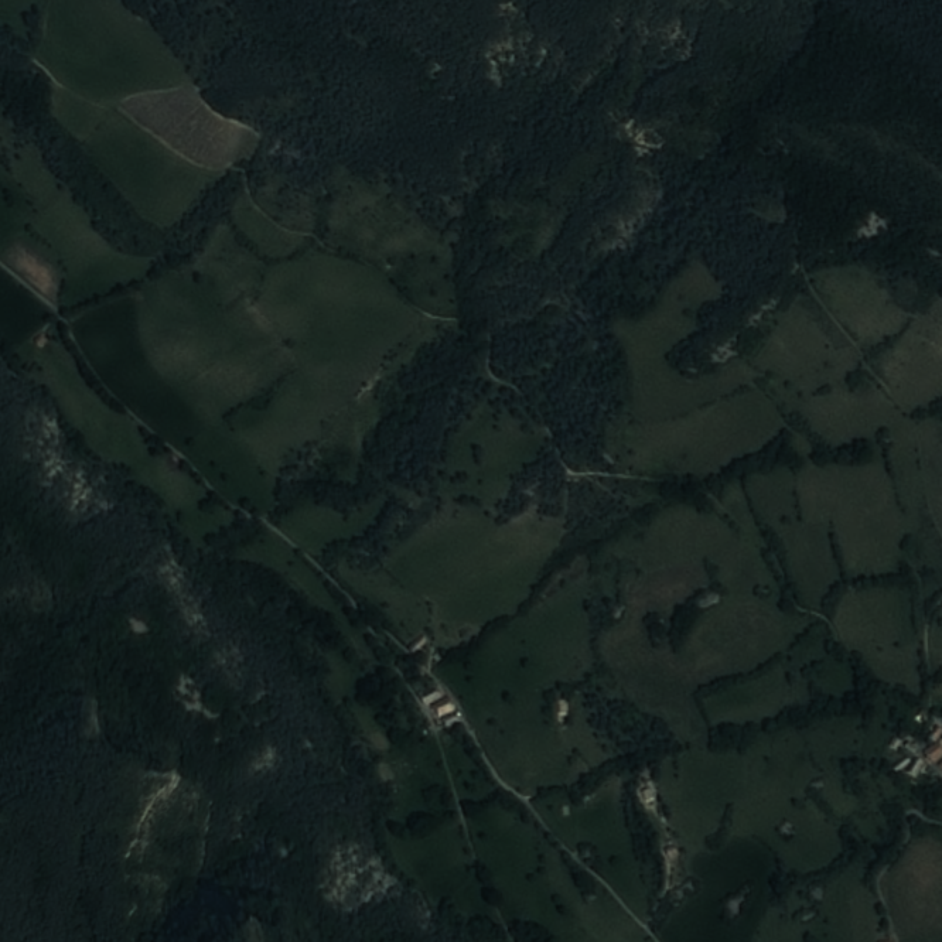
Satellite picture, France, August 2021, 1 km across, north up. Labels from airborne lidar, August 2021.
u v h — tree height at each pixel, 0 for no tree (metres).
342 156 8
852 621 0
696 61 13
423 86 13
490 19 11
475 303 15
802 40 13
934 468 0
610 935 0
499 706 0
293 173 7
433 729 0
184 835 10
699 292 0
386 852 10
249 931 10
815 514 0
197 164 0
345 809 17
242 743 15
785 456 11
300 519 0
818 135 6
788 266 10
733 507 0
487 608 0
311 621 15
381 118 7
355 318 0
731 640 0
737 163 16
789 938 0
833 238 14
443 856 0
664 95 12
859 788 10
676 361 6
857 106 12
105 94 0
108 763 14
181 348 0
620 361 11
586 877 13
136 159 0
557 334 9
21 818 16
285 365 0
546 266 13
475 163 12
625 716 12
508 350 14
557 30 15
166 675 17
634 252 7
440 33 11
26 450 7
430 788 7
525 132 19
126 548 16
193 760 19
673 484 9
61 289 8
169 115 0
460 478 11
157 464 0
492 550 0
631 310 9
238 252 0
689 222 16
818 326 0
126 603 15
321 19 15
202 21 17
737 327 7
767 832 0
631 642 0
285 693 11
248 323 0
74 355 12
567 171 10
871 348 7
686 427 0
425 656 13
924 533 0
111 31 0
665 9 7
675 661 0
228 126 0
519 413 9
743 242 14
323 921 14
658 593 0
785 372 0
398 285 8
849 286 0
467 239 18
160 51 0
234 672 7
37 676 20
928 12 19
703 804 0
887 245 9
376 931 10
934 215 7
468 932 7
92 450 10
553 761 0
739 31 14
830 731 0
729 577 0
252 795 18
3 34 12
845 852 6
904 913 0
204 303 0
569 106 13
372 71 10
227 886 18
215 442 0
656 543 0
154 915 12
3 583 12
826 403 0
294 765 9
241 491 0
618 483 10
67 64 0
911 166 6
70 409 0
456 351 22
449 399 13
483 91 9
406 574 0
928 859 0
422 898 8
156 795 17
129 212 8
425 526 0
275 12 19
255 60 13
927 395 0
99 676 16
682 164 13
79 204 9
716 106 7
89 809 17
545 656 0
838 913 0
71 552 14
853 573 0
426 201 8
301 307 0
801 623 0
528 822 7
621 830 0
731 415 0
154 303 0
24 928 17
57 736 16
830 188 16
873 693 17
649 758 7
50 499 7
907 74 10
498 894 23
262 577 13
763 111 12
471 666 9
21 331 0
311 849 13
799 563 0
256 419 0
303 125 9
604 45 9
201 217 15
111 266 0
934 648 0
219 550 20
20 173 0
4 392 14
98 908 18
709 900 0
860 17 14
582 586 0
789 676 10
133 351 0
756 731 11
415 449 15
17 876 17
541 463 8
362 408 0
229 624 13
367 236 0
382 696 21
